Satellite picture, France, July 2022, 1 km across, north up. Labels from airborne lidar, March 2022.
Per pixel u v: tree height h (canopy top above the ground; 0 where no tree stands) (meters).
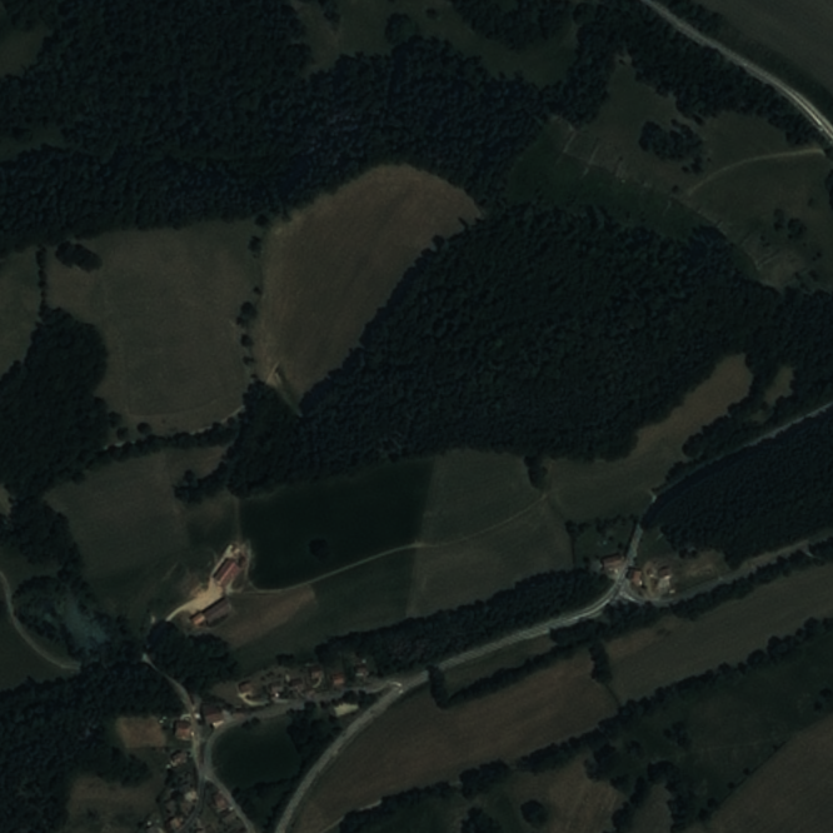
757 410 16
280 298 0
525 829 0
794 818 0
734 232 0
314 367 0
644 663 0
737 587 14
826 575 0
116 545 0
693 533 15
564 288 6
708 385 0
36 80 20
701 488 23
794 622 0
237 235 0
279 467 15
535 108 37
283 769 0
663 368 26
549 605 20
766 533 16
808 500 13
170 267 0
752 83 12
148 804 0
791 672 0
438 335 26
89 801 0
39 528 33
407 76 36
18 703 19
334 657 16
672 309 20
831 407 0
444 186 0
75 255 22
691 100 25
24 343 0
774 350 25
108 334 0
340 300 0
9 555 0
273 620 0
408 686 0
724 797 0
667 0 15
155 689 24
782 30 0
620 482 0
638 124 0
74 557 16
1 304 0
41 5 29
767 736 0
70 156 10
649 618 19
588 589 21
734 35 0
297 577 0
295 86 18
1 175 25
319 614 0
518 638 0
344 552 0
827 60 0
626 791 18
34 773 26
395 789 0
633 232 6
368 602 0
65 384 26
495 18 8
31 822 28
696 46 19
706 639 0
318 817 0
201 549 0
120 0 25
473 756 0
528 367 21
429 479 0
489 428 17
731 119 0
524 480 0
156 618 0
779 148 0
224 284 0
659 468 0
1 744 21
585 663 0
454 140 29
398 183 0
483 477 0
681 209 0
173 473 0
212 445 12
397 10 0
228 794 0
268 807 0
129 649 21
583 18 10
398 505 0
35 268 0
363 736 0
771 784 0
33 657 0
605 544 0
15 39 0
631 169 0
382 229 0
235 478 24
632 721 21
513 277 6
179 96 30
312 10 0
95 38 23
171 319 0
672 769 20
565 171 0
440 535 0
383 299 0
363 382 17
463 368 13
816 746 0
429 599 0
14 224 29
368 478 0
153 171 37
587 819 0
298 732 20
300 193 31
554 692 0
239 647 0
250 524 0
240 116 30
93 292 0
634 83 0
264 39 25
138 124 30
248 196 27
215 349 0
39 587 20
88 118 26
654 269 14
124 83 23
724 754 0
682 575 0
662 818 0
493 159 35
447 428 20
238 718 0
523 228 15
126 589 0
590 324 19
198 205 27
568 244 7
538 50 0
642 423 24
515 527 0
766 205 0
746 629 0
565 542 0
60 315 13
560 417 17
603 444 24
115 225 20
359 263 0
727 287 31
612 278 11
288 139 31
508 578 0
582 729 0
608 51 21
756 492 23
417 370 19
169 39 22
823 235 0
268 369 0
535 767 25
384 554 0
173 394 0
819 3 0
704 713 0
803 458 22
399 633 20
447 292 15
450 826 0
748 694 0
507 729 0
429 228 0
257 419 27
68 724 24
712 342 25
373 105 34
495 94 37
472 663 0
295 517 0
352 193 0
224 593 0
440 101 38
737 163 0
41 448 26
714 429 16
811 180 0
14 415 18
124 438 16
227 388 0
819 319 20
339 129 29
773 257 0
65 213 30
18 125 18
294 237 0
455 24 0
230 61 27
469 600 0
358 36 0
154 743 0
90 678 23
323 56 0
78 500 0
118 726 0
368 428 25
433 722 0
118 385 0
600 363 19
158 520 0
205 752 0
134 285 0
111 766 14
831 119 0
